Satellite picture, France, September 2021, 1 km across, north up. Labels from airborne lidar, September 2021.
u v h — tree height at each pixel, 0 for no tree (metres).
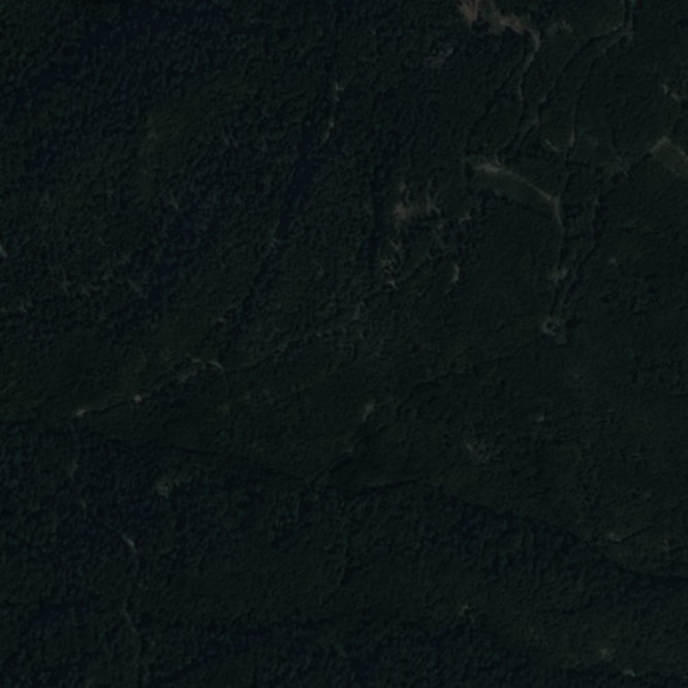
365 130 26
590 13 21
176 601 21
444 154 26
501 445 27
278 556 29
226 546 28
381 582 23
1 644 25
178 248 26
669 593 27
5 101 30
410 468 27
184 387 9
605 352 22
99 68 32
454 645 29
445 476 17
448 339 11
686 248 12
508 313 23
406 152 20
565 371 16
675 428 21
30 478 30
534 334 25
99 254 10
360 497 12
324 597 24
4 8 26
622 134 28
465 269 20
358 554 29
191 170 16
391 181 18
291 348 10
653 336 21
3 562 27
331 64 17
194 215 20
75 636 23
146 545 32
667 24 22
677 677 34
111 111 31
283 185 16
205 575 23
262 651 27
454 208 20
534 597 28
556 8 28
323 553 21
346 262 23
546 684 25
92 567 25
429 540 32
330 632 25
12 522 25
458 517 24
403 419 18
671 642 26
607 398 19
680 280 12
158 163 17
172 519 21
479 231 18
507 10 18
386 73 27
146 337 19
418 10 30
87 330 11
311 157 16
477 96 27
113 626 27
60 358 21
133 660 30
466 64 27
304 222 20
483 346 24
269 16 19
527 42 12
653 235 17
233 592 25
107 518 17
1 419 22
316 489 19
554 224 22
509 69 16
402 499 15
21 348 19
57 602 17
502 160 10
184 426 21
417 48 31
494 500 17
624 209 28
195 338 24
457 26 8
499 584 24
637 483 24
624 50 20
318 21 27
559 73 6
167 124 17
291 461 15
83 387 14
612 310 29
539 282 24
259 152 13
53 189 28
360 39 22
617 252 22
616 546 12
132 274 23
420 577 26
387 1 32
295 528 21
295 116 23
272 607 22
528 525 14
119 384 23
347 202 13
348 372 15
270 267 13
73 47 19
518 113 27
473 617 28
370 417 11
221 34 32
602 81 26
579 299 23
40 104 23
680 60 18
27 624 29
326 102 18
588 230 8
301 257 16
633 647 24
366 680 32
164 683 11
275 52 22
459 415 25
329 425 15
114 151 25
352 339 20
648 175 22
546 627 23
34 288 10
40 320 10
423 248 22
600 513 25
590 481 22
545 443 26
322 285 17
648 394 19
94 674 21
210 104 25
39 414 13
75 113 22
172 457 12
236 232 24
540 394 26
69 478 12
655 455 20
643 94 27
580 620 24
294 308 16
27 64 23
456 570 25
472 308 20
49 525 23
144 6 12
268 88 25
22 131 18
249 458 12
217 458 16
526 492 18
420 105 31
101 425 13
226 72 29
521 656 28
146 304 12
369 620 34
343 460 11
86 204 25
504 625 20
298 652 24
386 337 21
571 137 6
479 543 29
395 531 28
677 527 24
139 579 18
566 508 12
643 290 28
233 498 25
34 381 11
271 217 20
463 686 31
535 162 20
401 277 16
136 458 18
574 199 25
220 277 16
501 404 27
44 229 20
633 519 20
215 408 22
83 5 14
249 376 21
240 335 29
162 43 25
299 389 22
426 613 23
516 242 26
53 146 26
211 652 31
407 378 24
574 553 27
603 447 24
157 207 13
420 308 20
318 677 28
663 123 22
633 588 22
